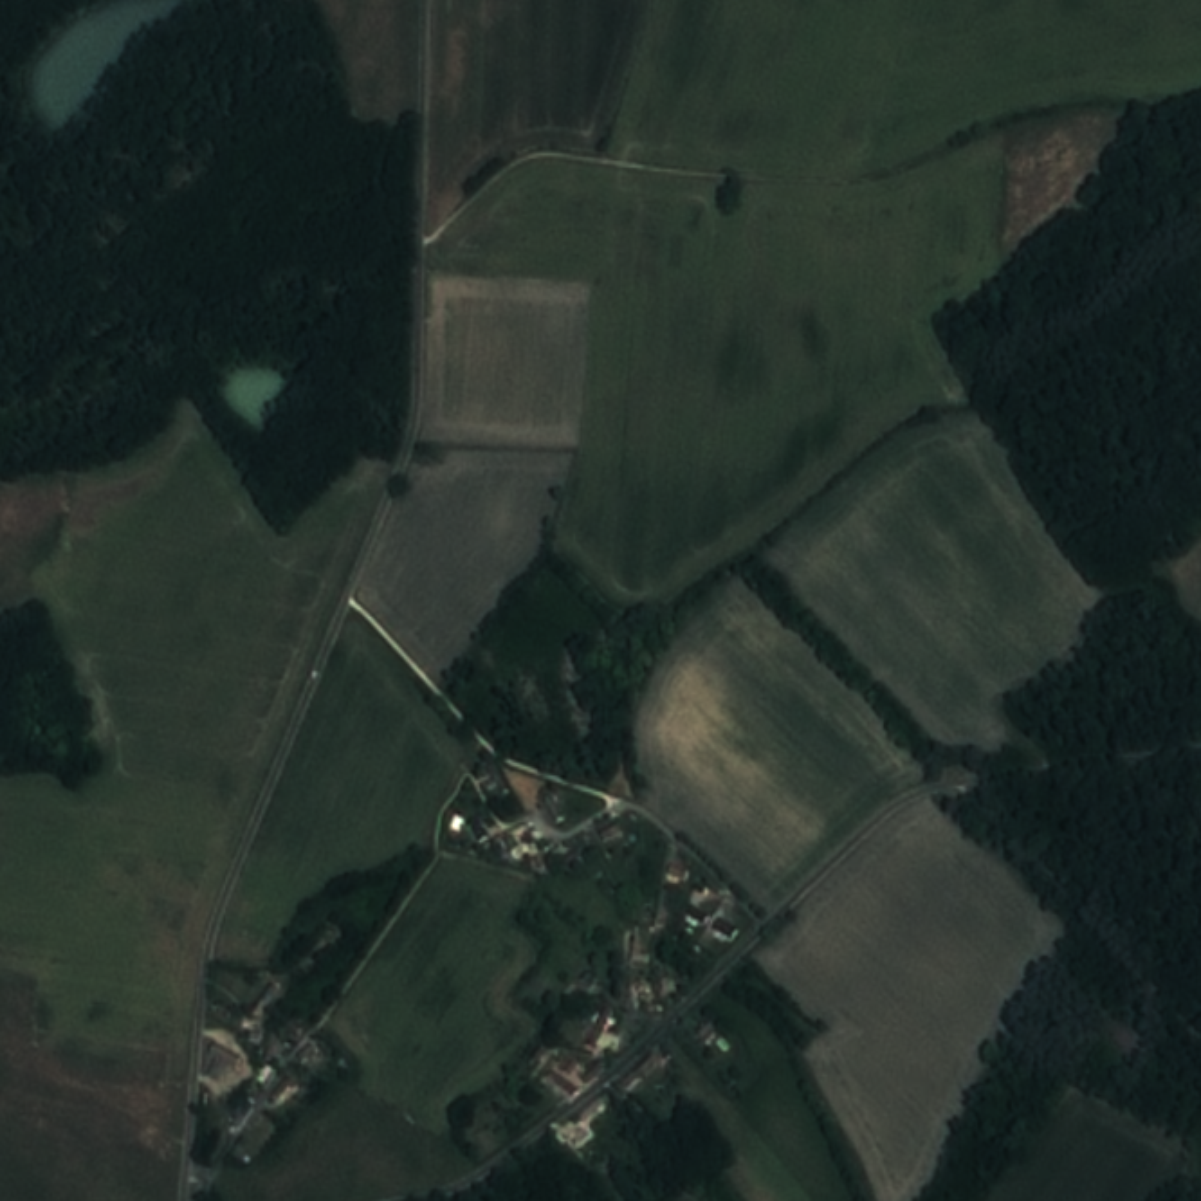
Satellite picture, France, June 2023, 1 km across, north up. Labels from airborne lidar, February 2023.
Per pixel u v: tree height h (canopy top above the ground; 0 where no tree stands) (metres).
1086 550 15
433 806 0
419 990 0
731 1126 0
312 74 18
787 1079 0
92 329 22
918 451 0
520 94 0
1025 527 0
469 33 0
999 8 0
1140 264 20
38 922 0
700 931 0
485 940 0
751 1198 0
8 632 21
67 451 20
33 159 21
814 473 0
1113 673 23
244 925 0
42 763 19
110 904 0
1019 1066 14
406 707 0
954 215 0
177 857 0
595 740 15
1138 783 11
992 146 0
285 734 0
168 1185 0
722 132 0
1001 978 0
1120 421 15
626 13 0
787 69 0
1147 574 14
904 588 0
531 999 7
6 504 0
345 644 0
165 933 0
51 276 23
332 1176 0
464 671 16
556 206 0
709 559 0
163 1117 0
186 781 0
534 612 0
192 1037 0
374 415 16
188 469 0
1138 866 26
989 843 18
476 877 0
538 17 0
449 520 0
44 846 0
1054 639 0
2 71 16
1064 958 10
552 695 0
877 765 0
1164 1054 26
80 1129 0
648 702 0
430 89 0
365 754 0
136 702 0
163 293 16
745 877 0
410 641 0
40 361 17
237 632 0
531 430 0
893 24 0
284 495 15
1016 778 18
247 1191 0
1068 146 0
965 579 0
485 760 12
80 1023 0
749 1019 0
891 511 0
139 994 0
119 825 0
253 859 0
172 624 0
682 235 0
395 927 0
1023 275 16
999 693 0
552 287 0
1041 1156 0
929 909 0
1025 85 0
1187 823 20
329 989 7
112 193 22
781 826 0
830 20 0
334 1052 7
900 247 0
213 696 0
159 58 19
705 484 0
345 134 15
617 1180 16
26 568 0
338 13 0
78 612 0
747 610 0
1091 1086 12
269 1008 11
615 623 11
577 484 0
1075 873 21
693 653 0
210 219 13
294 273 19
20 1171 0
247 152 7
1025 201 0
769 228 0
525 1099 15
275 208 11
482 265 0
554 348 0
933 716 0
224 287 13
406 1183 0
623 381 0
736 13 0
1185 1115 16
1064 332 27
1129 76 0
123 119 15
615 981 12
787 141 0
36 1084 0
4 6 19
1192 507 23
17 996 0
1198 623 8
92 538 0
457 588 0
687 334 0
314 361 19
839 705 0
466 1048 0
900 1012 0
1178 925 30
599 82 0
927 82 0
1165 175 27
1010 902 0
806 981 0
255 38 21
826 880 0
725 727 0
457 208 0
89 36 0
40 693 15
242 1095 8
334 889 9
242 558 0
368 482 0
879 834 0
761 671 0
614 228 0
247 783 0
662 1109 0
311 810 0
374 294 20
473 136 0
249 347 23
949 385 0
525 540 0
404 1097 0
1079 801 24
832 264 0
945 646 0
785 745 0
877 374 0
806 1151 0
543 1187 9
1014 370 23
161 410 22
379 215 14
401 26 0
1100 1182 0
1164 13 0
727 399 0
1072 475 24
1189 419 18
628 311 0
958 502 0
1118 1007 15
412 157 14
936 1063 0
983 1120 18
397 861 8
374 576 0
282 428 22
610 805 0
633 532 0
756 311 0
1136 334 21
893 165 0
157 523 0
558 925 0
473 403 0
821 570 0
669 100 0
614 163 0
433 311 0
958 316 9
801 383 0
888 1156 0
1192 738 16
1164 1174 0
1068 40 0
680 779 0
